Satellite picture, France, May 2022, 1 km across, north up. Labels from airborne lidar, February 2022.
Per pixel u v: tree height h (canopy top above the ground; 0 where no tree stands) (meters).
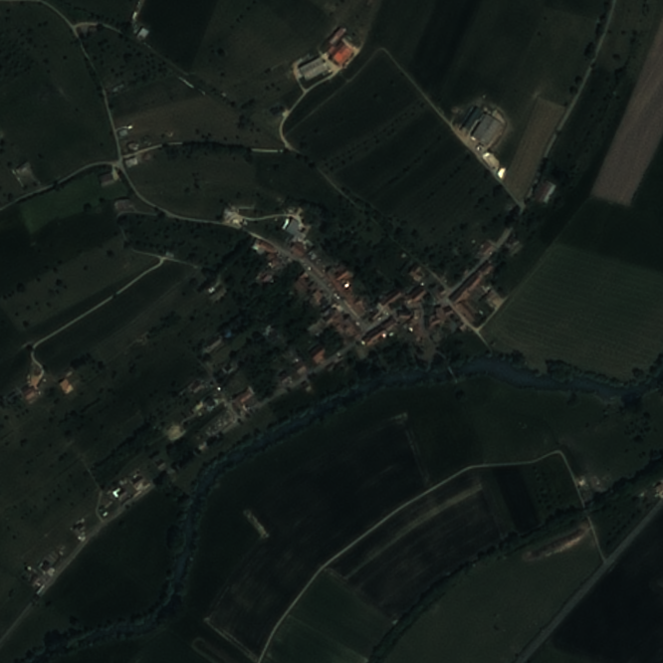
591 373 8
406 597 0
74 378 0
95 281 0
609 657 0
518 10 0
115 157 0
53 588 0
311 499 0
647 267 0
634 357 0
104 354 0
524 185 0
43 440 0
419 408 0
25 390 0
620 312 0
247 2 0
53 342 0
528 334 0
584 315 0
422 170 0
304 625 0
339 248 12
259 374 6
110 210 0
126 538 0
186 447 9
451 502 0
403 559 0
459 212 0
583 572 0
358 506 0
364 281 6
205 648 0
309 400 0
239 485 0
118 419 0
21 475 0
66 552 0
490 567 0
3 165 0
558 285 0
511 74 0
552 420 0
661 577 0
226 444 0
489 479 0
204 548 0
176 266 0
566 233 0
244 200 0
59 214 0
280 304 7
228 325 10
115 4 0
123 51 0
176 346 0
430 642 0
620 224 0
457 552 0
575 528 9
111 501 0
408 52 0
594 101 0
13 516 0
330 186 0
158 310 0
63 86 0
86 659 0
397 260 0
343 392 10
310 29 0
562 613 0
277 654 0
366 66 0
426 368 13
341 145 0
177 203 0
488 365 0
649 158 0
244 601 0
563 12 0
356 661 0
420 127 0
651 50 0
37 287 0
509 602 0
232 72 0
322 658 0
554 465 0
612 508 7
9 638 0
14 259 0
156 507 0
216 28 0
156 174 0
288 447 0
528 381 0
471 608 0
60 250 0
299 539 0
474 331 0
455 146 0
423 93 0
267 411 0
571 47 0
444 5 0
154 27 0
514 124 0
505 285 0
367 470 0
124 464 0
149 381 0
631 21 0
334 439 0
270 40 0
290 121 0
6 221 0
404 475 0
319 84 0
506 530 0
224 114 0
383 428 0
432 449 0
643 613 0
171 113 0
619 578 0
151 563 0
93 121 0
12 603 0
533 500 0
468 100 0
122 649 0
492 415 0
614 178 0
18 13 0
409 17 0
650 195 0
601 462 0
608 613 0
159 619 9
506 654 0
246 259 6
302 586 0
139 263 0
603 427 0
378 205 0
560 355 0
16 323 0
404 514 0
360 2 0
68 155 0
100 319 0
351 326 0
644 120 0
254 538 0
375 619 0
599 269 0
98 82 8
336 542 0
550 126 0
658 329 0
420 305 0
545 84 0
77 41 8
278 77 0
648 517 0
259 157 0
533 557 0
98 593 0
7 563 0
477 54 0
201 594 0
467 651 0
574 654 0
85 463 0
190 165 0
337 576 0
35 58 0
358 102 0
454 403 0
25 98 0
